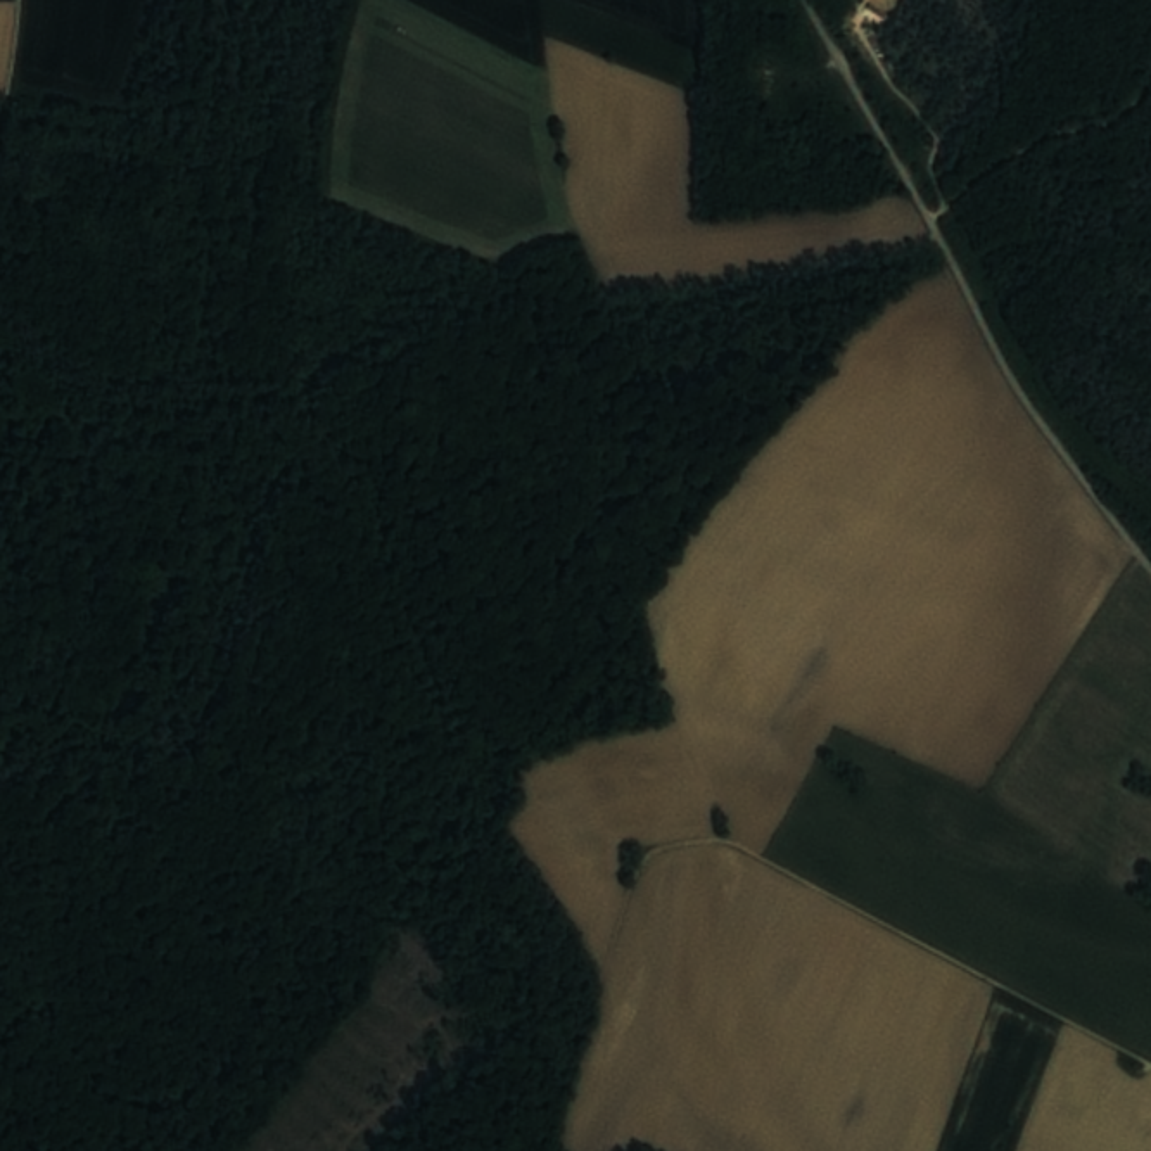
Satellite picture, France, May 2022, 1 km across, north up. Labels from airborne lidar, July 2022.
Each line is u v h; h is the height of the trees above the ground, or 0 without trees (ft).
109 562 101
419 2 0
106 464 92
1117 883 0
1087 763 0
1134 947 0
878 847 0
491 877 87
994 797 0
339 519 107
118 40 0
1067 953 0
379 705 78
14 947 68
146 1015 83
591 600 104
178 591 68
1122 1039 0
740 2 63
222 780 81
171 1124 56
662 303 40
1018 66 54
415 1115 80
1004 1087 0
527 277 91
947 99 43
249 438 82
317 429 65
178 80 73
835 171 56
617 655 94
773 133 39
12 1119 84
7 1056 82
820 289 75
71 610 80
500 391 96
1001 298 36
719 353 41
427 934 56
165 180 87
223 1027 69
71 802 79
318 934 93
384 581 76
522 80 0
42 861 63
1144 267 69
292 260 75
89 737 64
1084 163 39
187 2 84
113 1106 81
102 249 75
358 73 0
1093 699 0
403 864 58
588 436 95
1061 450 0
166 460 90
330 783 80
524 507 95
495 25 0
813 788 0
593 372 112
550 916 87
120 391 64
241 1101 69
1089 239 74
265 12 83
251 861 75
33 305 73
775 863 0
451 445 94
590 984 63
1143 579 0
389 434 95
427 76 0
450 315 89
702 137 59
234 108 71
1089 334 49
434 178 0
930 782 0
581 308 88
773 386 66
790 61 0
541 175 0
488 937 91
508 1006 52
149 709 85
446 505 99
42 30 0
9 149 68
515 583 84
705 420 98
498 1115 87
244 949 79
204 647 86
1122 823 0
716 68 62
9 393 63
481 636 99
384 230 77
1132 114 34
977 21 22
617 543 105
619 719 80
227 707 91
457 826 39
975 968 0
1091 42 45
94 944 82
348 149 0
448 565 99
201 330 88
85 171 78
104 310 85
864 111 0
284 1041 69
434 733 78
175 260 77
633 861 56
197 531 101
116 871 86
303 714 80
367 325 62
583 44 0
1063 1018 0
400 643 69
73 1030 76
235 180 66
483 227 0
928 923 0
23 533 87
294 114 69
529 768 42
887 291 65
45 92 0
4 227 83
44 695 94
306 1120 0
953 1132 0
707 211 45
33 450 64
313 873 81
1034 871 0
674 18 0
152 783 89
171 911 76
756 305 65
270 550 89
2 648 95
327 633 89
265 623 76
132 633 109
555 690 86
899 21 20
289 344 95
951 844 0
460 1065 45
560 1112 70
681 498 95
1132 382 74
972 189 43
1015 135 35
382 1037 0
